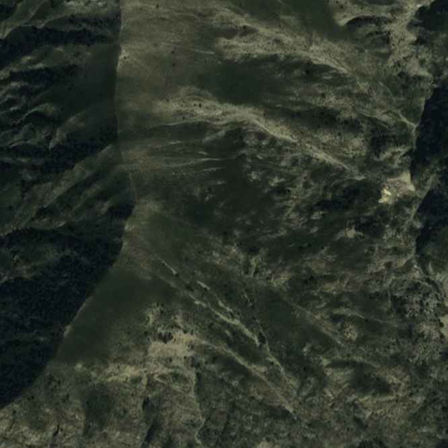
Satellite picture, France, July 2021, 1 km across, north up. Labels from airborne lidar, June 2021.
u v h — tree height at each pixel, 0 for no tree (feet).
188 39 0
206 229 0
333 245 0
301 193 0
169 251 0
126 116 0
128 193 0
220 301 0
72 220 0
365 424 26
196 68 0
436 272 0
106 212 0
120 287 0
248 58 0
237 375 0
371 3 0
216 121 0
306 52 0
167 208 0
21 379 44
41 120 56
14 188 0
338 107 0
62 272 64
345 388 0
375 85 0
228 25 0
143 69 0
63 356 0
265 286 0
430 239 58
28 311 57
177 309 0
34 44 30
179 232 0
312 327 0
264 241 0
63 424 0
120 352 0
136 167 0
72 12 0
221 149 0
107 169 0
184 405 0
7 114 0
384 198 0
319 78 0
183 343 0
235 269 0
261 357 0
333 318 0
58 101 0
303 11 0
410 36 0
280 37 0
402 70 28
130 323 0
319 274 0
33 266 0
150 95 0
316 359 0
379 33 24
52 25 0
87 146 32
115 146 0
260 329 0
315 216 0
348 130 0
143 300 0
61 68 0
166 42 0
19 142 0
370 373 0
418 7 0
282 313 0
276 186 0
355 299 0
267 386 0
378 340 0
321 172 0
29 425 0
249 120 0
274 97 0
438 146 34
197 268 0
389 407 0
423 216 22
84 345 0
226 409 0
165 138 0
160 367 0
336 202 45
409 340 0
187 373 0
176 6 0
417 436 0
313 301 0
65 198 0
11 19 0
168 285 0
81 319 0
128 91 0
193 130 0
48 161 0
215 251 0
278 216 0
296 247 0
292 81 0
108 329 0
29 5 0
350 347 0
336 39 0
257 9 0
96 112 0
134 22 0
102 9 0
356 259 0
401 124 0
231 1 0
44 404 0
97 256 44
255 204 0
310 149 0
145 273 0
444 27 0
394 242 0
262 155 0
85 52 0
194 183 0
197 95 0
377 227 25
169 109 0
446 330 0
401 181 0
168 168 0
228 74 0
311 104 0
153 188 0
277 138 0
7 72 0
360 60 0
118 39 0
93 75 0
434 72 0
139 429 0
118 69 0
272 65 0
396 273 21
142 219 0
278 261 0
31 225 0
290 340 0
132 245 0
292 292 0
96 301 0
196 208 0
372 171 0
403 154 0
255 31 0
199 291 0
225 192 0
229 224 0
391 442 0
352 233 0
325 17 0
